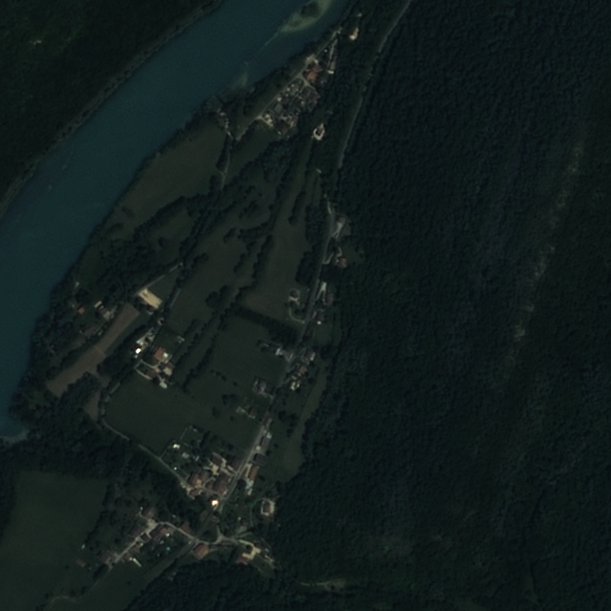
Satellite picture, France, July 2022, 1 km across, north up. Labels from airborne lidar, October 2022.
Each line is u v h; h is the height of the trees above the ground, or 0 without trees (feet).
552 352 54
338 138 45
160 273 25
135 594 0
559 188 29
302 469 29
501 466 52
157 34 45
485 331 52
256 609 67
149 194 0
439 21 32
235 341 0
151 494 31
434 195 63
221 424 0
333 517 48
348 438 50
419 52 49
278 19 0
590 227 63
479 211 52
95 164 0
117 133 0
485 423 32
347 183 49
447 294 66
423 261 52
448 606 43
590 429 43
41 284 0
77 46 49
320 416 63
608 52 39
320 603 68
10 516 47
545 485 64
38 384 42
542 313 49
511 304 30
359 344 58
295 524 45
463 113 76
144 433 0
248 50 0
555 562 51
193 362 0
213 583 73
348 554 24
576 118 33
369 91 19
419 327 49
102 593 0
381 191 61
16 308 0
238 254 0
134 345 38
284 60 0
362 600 22
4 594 0
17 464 65
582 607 44
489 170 39
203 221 44
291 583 46
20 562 0
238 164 0
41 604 0
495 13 69
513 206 46
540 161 26
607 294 50
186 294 0
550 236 22
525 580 59
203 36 0
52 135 53
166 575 36
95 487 0
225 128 22
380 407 52
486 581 70
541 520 91
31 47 25
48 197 0
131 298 31
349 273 31
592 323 63
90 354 0
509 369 19
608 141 59
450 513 31
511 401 58
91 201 0
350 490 60
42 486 0
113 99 0
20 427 0
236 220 0
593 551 52
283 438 0
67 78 43
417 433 68
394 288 43
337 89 36
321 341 0
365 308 59
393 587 25
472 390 55
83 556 0
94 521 0
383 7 41
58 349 53
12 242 0
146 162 39
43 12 52
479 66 47
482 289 20
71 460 66
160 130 0
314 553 31
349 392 32
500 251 21
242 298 34
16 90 61
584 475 50
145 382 0
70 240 0
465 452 49
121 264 45
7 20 68
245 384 0
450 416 40
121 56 43
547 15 49
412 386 40
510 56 68
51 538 0
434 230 28
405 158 75
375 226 49
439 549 51
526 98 45
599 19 50
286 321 0
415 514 30
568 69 49
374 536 28
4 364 0
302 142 36
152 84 0
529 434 25
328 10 0
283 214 0
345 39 49
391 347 45
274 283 0
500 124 32
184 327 0
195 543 0
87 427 67
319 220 57
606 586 49
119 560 0
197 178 0
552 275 56
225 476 0
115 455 73
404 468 34
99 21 53
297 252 0
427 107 52
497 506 28
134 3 54
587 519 63
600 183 61
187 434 0
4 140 62
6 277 0
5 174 68
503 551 61
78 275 21
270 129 0
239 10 0
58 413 52
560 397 71
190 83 0
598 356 60
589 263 59
